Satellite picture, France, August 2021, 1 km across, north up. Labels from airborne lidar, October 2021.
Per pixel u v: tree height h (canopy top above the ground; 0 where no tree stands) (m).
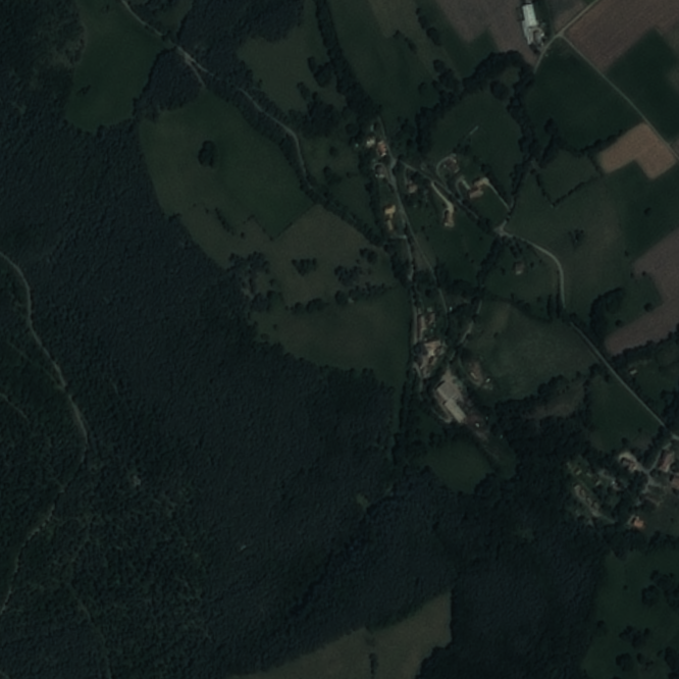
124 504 13
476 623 19
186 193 0
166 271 12
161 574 13
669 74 0
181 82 11
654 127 0
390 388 8
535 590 19
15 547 10
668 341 8
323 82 18
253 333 8
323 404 11
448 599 0
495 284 0
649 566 0
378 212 13
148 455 16
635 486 14
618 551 17
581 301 0
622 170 0
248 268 9
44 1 9
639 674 0
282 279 0
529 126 17
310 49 0
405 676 0
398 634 0
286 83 0
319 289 0
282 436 16
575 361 0
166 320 14
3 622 14
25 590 13
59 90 6
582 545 19
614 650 0
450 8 0
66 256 14
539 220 0
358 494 14
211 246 0
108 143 20
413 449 19
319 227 0
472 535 23
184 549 12
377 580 18
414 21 0
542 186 12
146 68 0
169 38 12
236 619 18
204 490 17
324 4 10
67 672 15
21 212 14
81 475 13
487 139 0
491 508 29
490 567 18
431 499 17
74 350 16
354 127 10
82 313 15
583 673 18
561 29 0
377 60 0
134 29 0
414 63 0
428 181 7
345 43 0
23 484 17
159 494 15
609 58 0
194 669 18
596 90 0
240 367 18
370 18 0
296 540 17
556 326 0
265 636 16
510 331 0
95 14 0
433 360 0
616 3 0
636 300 0
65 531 11
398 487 16
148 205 12
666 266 0
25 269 11
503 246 15
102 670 15
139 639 12
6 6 7
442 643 0
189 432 18
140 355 15
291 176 0
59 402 13
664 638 0
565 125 0
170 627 17
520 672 21
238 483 16
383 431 10
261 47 0
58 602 14
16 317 14
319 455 16
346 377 9
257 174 0
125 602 14
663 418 16
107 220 16
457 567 11
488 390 0
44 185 16
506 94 17
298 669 0
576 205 0
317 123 16
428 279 10
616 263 0
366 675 0
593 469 14
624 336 0
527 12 0
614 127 0
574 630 29
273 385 17
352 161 0
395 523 19
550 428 13
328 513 17
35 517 13
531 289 0
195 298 14
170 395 16
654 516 0
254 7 15
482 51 0
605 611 0
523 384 0
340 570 27
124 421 11
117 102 0
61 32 7
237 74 16
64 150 23
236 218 0
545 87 0
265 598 16
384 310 0
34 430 16
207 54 11
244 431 15
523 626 21
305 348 0
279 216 0
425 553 15
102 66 0
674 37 0
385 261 0
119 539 10
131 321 18
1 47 11
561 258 0
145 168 8
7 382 16
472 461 0
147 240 15
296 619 23
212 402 16
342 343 0
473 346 0
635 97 0
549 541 16
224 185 0
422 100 0
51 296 11
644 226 0
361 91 17
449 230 0
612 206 0
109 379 15
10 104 12
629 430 0
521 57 18
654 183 0
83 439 7
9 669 14
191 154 0
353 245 0
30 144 27
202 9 13
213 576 18
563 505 16
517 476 9
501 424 13
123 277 15
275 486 14
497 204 0
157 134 0
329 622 19
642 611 0
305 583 15
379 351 0
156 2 11
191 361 17
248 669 18
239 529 16
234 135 0
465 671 22
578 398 0
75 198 14
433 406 10
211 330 13
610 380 14
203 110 0
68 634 16
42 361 9
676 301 0
